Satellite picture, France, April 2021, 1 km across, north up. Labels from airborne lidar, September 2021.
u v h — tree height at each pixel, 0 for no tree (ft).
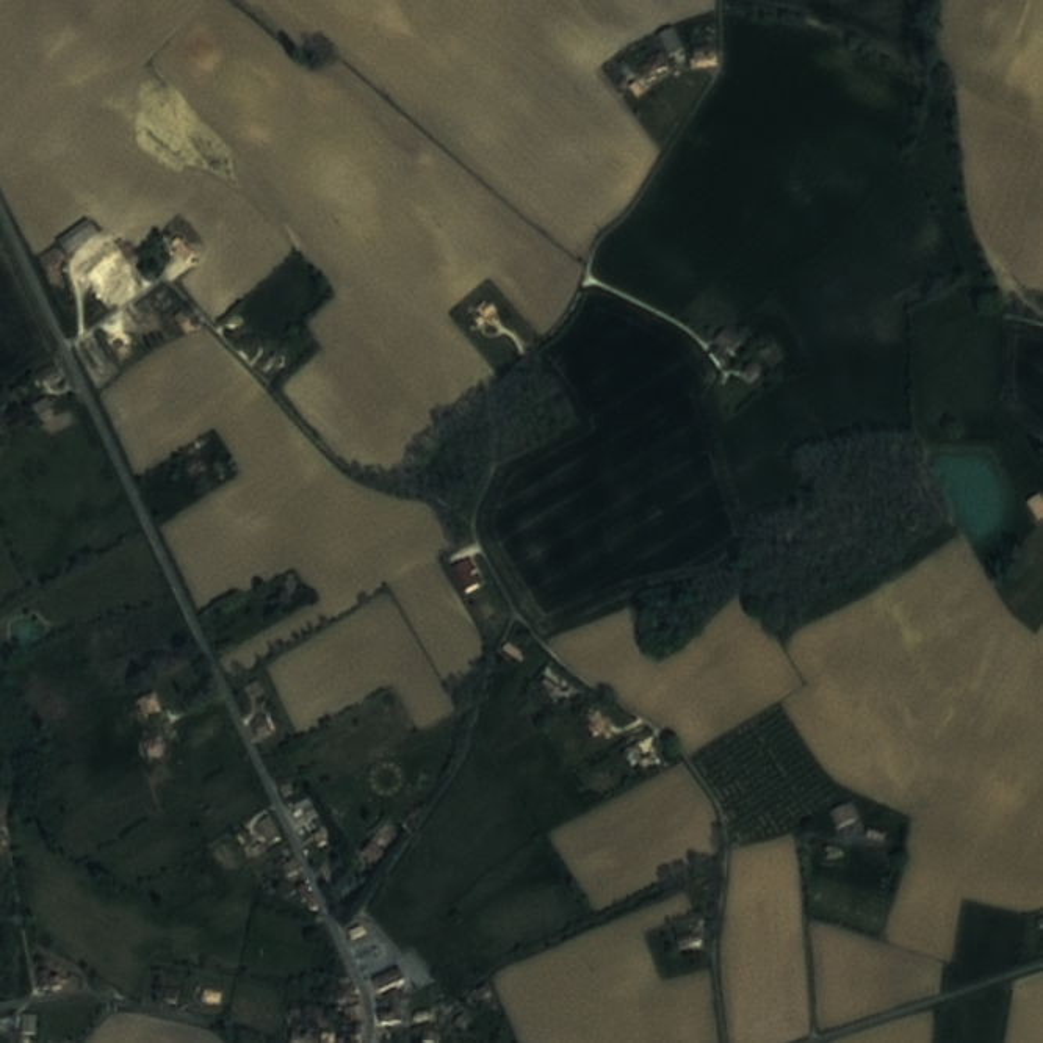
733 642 0
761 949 0
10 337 0
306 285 0
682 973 0
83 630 22
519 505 0
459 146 0
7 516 0
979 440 0
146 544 0
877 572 63
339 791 0
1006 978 0
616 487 0
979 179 0
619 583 0
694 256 0
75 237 0
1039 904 0
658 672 0
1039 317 37
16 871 33
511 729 0
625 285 0
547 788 0
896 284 0
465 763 0
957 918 0
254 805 0
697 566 0
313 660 0
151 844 0
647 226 0
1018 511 0
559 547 0
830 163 0
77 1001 0
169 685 0
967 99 0
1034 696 0
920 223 0
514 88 0
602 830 0
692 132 0
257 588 33
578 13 0
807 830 33
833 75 0
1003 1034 0
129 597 0
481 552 0
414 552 0
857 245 0
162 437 0
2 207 0
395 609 0
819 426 0
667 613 37
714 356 30
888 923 0
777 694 0
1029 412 0
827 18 0
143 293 0
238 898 0
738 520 0
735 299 0
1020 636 0
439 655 0
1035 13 0
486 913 0
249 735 0
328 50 61
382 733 0
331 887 35
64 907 0
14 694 34
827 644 0
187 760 0
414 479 60
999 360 0
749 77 0
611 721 0
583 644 0
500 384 45
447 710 0
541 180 0
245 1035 46
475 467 52
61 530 0
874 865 0
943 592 0
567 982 0
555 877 0
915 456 83
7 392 21
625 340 0
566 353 0
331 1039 0
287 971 0
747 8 42
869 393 0
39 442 0
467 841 0
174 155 0
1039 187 0
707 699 0
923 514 80
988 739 0
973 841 0
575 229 0
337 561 0
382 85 0
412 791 0
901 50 0
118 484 0
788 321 0
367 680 0
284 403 33
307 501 0
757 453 0
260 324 0
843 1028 0
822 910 0
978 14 0
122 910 0
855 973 0
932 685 0
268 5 0
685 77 0
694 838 0
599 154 0
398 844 44
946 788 0
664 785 0
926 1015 0
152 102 0
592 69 0
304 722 0
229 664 0
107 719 0
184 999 17
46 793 31
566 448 0
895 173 0
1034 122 0
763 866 0
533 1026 0
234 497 0
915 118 36
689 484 0
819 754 0
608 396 0
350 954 0
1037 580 0
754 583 65
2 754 25
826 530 71
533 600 0
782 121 0
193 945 0
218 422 0
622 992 0
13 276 0
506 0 0
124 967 0
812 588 71
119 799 0
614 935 0
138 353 0
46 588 48
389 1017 0
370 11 0
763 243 0
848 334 0
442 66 0
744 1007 0
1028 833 0
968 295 0
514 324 0
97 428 0
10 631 0
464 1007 46
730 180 0
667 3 0
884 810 0
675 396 0
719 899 43
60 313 0
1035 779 0
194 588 0
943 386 0
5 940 77
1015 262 0
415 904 0
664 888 49
